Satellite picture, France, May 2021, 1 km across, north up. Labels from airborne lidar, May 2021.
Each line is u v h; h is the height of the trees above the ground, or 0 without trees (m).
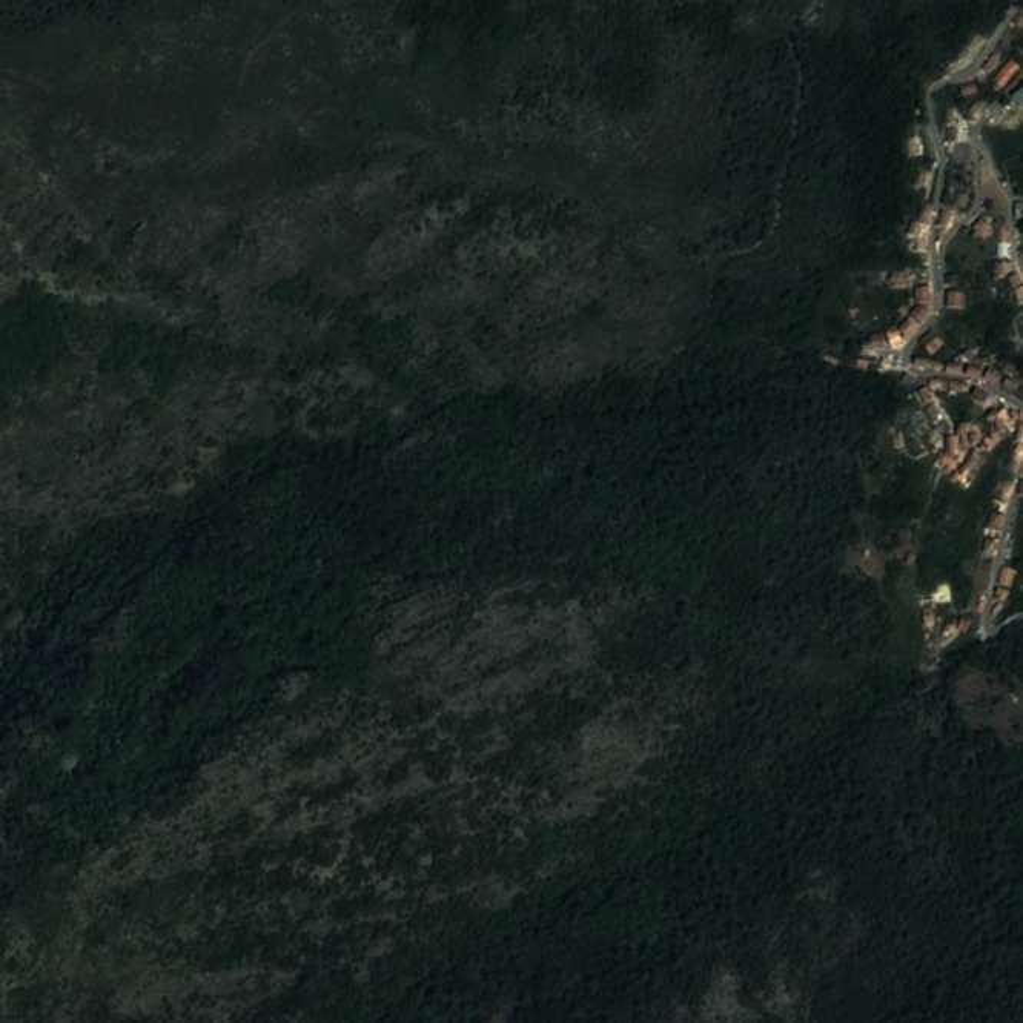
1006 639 11
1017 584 6
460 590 6
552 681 12
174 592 9
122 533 15
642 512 13
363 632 8
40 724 12
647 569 14
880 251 11
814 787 10
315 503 12
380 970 10
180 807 7
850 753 13
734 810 10
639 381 14
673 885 7
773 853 11
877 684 11
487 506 10
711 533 10
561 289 8
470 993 19
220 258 7
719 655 17
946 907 16
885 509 12
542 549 10
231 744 7
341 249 0
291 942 15
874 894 14
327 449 16
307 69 0
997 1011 6
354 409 7
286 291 10
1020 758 11
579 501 10
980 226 0
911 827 16
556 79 7
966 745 14
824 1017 10
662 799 14
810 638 12
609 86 6
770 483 10
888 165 12
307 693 7
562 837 6
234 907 8
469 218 7
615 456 8
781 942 6
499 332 16
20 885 8
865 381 14
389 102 0
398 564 17
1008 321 11
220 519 11
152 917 7
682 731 13
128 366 17
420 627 12
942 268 0
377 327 9
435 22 9
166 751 11
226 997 7
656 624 8
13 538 6
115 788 17
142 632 10
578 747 0
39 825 8
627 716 10
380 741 7
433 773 11
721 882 16
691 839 8
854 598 18
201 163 0
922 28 6
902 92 15
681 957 17
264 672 8
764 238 16
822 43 11
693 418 20
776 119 10
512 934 11
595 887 12
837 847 9
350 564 9
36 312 15
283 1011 12
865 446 13
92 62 0
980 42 0
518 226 9
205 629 14
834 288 18
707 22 7
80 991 7
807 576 10
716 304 9
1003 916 18
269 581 17
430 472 15
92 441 7
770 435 10
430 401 13
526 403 13
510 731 6
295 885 8
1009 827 13
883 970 10
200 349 11
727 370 16
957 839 10
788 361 8
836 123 15
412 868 5
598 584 7
